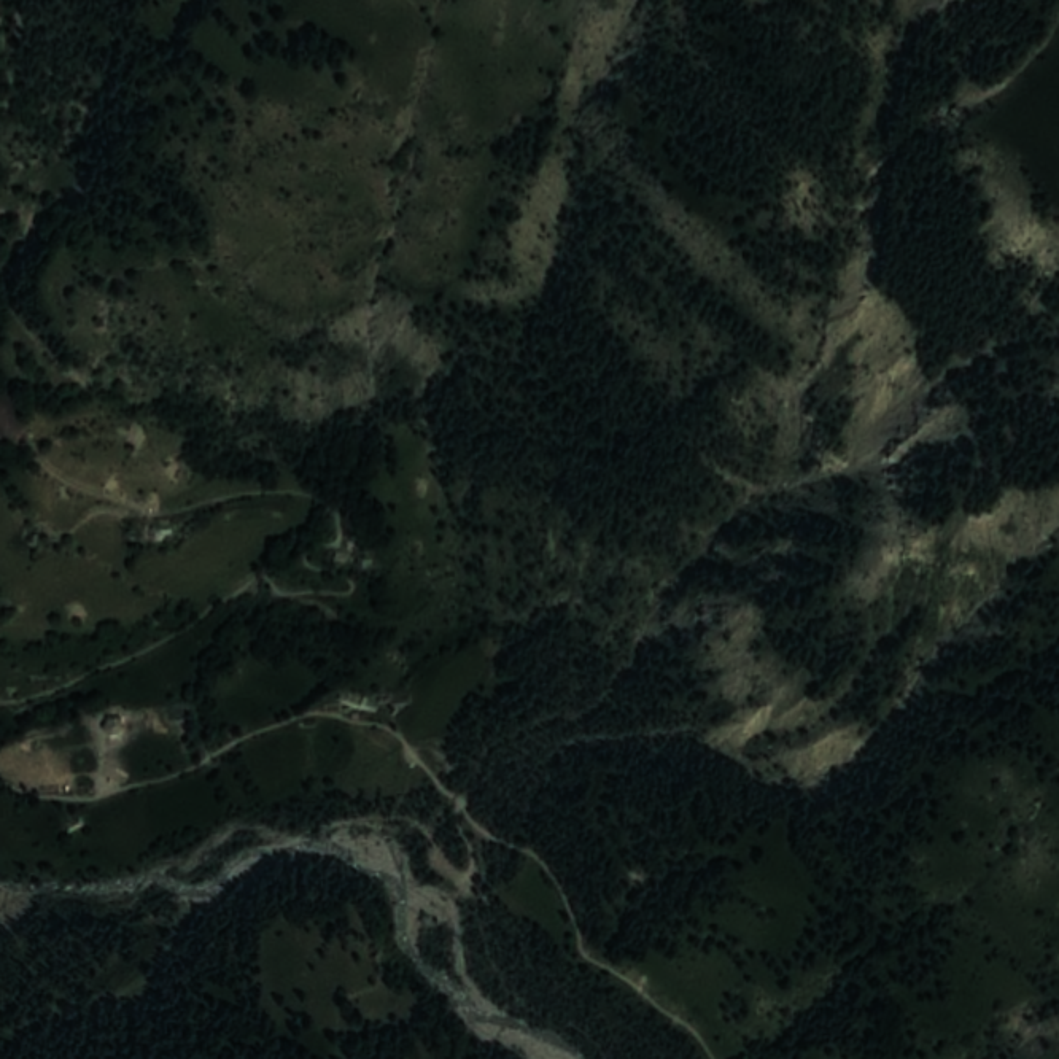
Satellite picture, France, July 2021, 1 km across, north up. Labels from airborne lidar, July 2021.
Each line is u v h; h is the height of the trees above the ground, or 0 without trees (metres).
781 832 0
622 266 14
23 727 21
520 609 18
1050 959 11
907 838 14
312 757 0
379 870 0
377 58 0
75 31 17
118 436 0
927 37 21
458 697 0
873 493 8
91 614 0
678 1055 13
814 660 23
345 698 0
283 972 0
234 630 17
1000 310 23
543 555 9
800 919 0
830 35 14
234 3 0
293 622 10
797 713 0
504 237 8
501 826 19
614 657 8
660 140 0
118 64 25
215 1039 15
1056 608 8
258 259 0
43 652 14
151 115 16
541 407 12
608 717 15
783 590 13
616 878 16
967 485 17
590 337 23
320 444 16
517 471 19
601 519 14
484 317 16
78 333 0
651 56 10
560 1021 7
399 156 13
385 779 0
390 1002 0
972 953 0
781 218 9
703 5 9
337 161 0
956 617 0
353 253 0
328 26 0
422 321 15
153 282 0
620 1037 8
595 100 6
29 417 11
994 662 20
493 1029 0
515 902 0
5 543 0
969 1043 9
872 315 0
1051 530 0
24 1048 20
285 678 0
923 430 0
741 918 0
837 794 15
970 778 0
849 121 14
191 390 12
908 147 23
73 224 15
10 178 10
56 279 0
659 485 19
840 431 12
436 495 0
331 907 20
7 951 28
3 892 0
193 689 17
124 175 29
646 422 21
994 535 0
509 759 6
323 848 0
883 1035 20
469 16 0
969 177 11
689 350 16
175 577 0
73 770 0
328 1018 0
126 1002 6
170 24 0
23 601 0
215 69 19
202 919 21
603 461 28
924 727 26
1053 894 0
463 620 10
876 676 14
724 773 23
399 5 0
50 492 0
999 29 8
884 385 0
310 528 17
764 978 0
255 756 0
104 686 0
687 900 13
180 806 0
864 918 21
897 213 22
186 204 14
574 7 0
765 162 12
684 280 12
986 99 0
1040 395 9
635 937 18
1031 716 16
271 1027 19
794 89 23
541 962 12
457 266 0
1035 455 26
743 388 8
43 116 10
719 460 6
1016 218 0
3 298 20
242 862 0
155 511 0
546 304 8
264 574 18
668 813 21
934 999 13
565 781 23
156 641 7
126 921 9
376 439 25
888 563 0
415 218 0
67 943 26
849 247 8
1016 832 14
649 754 16
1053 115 0
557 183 0
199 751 6
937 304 29
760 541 8
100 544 0
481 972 6
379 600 15
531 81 0
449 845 16
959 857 0
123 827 0
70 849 11
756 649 7
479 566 10
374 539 7
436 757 0
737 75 20
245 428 8
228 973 25
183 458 9
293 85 0
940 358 16
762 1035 10
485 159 0
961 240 23
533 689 17
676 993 0
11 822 0
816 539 25
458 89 0
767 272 7
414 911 0
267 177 0
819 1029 19
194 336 0
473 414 22
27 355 14
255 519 0
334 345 7
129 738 0
